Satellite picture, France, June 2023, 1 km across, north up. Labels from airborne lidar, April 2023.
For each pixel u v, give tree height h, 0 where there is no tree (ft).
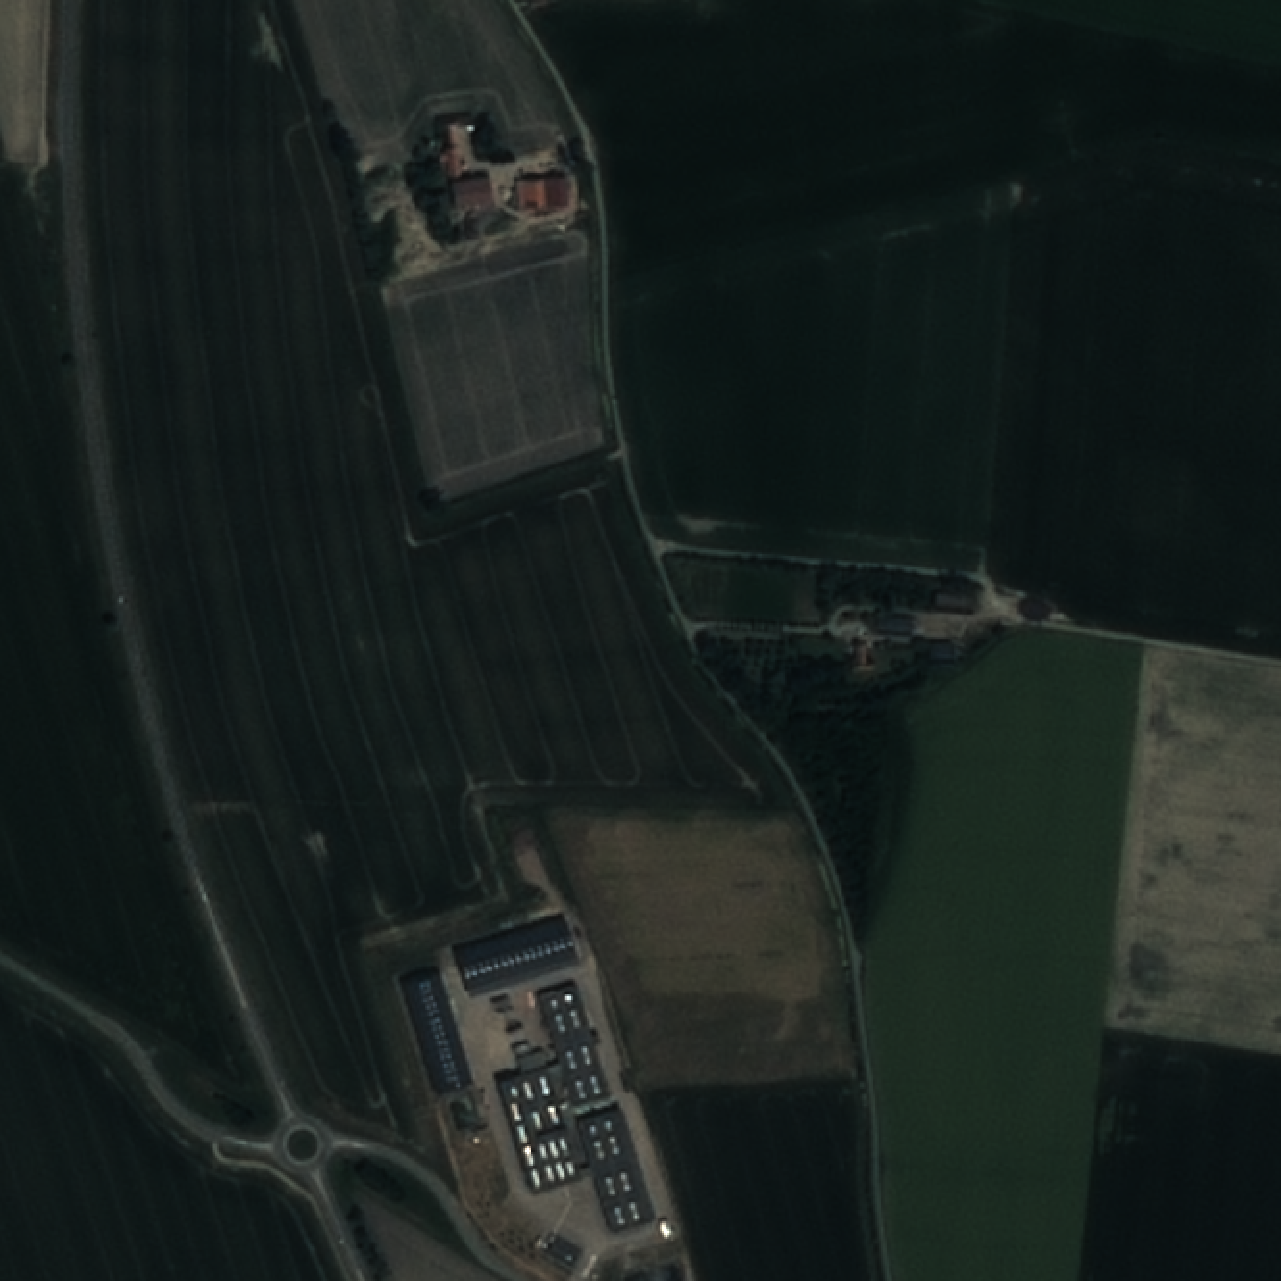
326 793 0
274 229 0
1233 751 0
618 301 0
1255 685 0
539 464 0
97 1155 0
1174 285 0
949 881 0
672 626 0
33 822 0
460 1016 0
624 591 0
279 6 0
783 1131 0
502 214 0
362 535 0
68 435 0
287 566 0
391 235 0
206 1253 0
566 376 0
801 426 0
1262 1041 0
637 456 0
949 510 0
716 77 0
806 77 0
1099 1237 0
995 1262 0
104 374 0
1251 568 0
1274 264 0
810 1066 0
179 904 0
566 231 0
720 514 0
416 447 0
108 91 0
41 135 0
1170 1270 0
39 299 0
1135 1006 0
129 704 0
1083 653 0
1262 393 0
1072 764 0
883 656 0
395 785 0
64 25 0
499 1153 0
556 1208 0
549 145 0
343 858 0
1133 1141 0
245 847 0
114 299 0
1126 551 0
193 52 0
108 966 0
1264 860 0
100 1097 0
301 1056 0
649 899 0
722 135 0
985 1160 0
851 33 0
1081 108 0
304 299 0
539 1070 0
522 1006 0
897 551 0
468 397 0
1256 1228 0
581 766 0
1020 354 0
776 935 0
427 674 0
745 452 0
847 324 0
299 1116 0
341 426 0
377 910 0
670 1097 0
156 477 0
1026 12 0
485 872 0
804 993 0
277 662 0
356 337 0
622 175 0
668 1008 0
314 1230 0
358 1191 0
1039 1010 0
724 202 0
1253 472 0
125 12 0
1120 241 0
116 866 0
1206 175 0
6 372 0
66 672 0
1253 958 0
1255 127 0
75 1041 0
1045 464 0
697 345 0
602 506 0
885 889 0
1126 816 0
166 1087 0
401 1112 0
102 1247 0
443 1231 0
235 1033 0
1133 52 0
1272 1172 0
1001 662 0
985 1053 0
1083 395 0
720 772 0
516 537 0
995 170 0
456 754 0
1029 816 0
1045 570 0
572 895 0
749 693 53
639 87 0
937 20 0
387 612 0
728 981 0
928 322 0
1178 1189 0
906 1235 0
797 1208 0
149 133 0
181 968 0
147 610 0
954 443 0
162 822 0
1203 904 0
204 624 0
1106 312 0
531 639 0
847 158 0
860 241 0
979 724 0
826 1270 0
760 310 0
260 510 0
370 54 0
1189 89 0
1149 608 0
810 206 0
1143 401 0
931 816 0
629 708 0
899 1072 0
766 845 0
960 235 0
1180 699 0
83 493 0
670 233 0
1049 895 0
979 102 0
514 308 0
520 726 0
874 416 0
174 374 0
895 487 0
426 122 0
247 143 0
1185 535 0
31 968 0
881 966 0
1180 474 0
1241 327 0
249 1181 0
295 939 0
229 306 0
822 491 0
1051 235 0
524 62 0
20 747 0
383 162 0
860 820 18
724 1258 0
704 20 0
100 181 0
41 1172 0
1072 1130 0
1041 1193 0
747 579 0
